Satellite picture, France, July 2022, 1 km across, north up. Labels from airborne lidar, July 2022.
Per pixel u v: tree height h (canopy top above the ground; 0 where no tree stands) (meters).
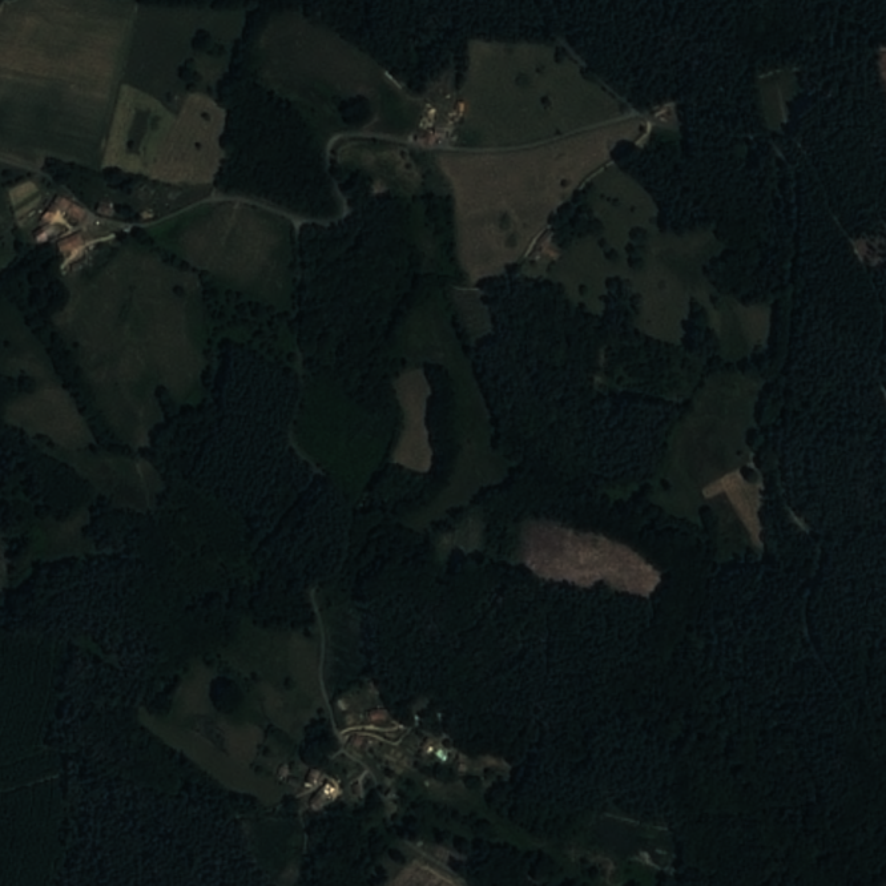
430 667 16
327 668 0
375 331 20
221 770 0
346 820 18
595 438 24
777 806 15
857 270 26
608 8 33
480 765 0
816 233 23
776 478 19
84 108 0
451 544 0
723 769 33
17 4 0
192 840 29
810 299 27
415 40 17
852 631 24
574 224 19
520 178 0
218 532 7
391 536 18
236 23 0
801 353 26
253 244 0
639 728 31
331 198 11
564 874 17
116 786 27
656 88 26
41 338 16
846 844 15
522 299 23
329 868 26
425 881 0
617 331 24
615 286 12
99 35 0
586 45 30
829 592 23
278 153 14
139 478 0
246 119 13
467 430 0
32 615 22
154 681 27
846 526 23
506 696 18
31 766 6
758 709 19
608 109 0
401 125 0
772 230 15
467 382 0
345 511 33
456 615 18
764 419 21
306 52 0
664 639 31
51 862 7
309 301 17
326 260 13
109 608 26
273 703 0
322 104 0
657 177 31
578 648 24
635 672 27
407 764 0
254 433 24
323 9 28
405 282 8
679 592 28
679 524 19
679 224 38
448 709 16
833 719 30
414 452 0
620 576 0
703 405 0
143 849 20
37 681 6
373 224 17
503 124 0
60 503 23
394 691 19
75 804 9
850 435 28
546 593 23
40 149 0
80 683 25
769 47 26
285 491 16
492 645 19
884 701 16
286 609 11
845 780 34
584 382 21
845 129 23
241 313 9
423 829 7
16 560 21
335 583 18
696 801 35
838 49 27
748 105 31
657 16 31
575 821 22
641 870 0
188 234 0
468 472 0
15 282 12
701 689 31
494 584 22
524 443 18
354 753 0
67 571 20
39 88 0
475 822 7
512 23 36
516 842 0
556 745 25
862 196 17
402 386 0
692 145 26
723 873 19
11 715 7
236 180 10
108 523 20
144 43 0
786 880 17
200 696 0
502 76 0
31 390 17
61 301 19
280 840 0
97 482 0
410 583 25
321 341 23
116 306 0
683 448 0
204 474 28
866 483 17
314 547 24
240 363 26
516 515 17
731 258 19
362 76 0
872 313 27
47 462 20
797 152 28
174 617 26
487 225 0
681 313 0
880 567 24
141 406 0
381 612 22
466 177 0
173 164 0
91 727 22
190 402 0
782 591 31
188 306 0
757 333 0
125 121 0
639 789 33
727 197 18
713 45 31
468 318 0
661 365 10
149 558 20
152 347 0
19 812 7
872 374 25
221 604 24
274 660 0
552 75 0
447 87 0
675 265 0
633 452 24
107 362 0
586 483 21
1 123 0
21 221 0
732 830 24
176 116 0
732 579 27
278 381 23
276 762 0
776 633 40
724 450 0
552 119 0
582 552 0
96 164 0
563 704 23
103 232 0
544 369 20
